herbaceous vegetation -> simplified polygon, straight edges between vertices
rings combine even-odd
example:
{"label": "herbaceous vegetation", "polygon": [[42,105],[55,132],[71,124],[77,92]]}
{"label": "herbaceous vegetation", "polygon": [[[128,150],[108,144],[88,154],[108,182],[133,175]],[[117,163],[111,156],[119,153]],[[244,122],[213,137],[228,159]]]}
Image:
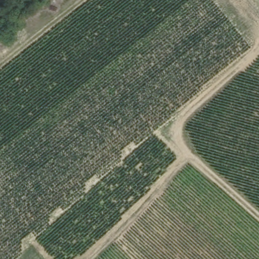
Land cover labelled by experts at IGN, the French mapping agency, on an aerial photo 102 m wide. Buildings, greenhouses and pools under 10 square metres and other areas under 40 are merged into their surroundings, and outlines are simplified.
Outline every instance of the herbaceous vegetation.
{"label": "herbaceous vegetation", "polygon": [[28,16],[26,27],[17,32],[17,39],[11,46],[6,48],[0,42],[0,69],[86,0],[52,0],[50,6],[41,6],[35,14]]}

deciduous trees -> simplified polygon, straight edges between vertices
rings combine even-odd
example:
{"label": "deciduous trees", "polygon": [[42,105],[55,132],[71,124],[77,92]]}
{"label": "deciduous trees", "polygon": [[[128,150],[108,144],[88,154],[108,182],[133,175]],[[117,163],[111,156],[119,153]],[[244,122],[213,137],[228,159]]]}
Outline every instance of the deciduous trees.
{"label": "deciduous trees", "polygon": [[6,48],[11,46],[17,39],[17,32],[26,27],[28,16],[35,14],[41,6],[50,6],[52,0],[0,0],[0,42]]}

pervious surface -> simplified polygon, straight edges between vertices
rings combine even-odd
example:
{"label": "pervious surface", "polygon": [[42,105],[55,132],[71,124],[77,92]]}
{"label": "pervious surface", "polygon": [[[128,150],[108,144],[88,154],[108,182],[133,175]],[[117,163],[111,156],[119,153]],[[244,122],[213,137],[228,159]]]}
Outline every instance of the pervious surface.
{"label": "pervious surface", "polygon": [[217,184],[259,222],[259,210],[225,178],[215,173],[197,155],[192,154],[184,142],[182,132],[187,119],[203,103],[217,94],[237,74],[245,71],[259,56],[259,0],[235,0],[233,6],[251,28],[256,38],[255,45],[202,85],[195,96],[173,113],[176,121],[169,131],[172,137],[170,141],[156,129],[154,135],[175,154],[175,161],[151,185],[150,191],[121,215],[117,224],[83,255],[75,259],[95,259],[111,243],[118,243],[124,238],[155,200],[161,197],[174,175],[186,164],[191,164]]}

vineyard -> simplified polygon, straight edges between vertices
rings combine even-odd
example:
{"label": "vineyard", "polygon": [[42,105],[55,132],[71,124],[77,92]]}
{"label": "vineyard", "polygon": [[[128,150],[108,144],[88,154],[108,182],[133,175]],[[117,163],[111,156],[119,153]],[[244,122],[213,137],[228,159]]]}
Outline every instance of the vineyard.
{"label": "vineyard", "polygon": [[202,85],[255,45],[256,38],[251,28],[233,6],[235,0],[86,0],[0,69],[0,259],[75,259],[83,255],[117,224],[121,215],[150,191],[151,185],[175,161],[175,154],[154,135],[156,129],[170,141],[172,137],[169,131],[176,121],[173,113],[195,96]]}
{"label": "vineyard", "polygon": [[245,71],[237,74],[217,94],[203,103],[187,119],[182,132],[184,142],[192,154],[197,155],[215,173],[225,178],[259,210],[259,56]]}
{"label": "vineyard", "polygon": [[118,243],[111,243],[95,259],[259,259],[259,222],[217,184],[191,164],[186,164],[174,175],[161,197],[155,200],[124,238]]}

